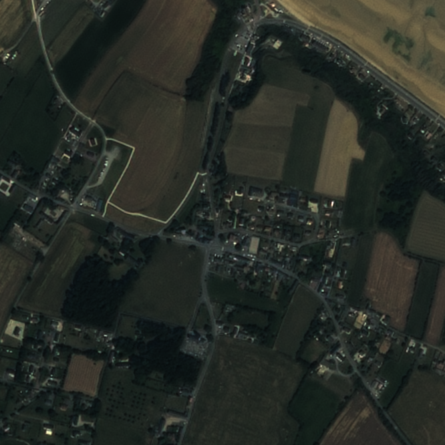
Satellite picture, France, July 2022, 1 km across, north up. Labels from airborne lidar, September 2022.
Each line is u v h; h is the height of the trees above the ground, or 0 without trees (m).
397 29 0
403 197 7
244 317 0
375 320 0
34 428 0
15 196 0
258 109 0
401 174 0
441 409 0
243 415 0
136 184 0
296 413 0
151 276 0
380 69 0
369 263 0
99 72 0
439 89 0
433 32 0
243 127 0
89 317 25
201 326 0
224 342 0
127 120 0
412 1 0
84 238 0
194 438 0
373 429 0
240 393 0
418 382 0
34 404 0
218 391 0
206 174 0
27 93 0
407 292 0
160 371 17
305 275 11
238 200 0
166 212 0
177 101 0
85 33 0
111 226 15
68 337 0
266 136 0
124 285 22
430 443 0
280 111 0
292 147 0
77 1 0
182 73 0
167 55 0
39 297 0
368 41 0
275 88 0
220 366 0
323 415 0
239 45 0
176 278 0
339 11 0
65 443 8
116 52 0
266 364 0
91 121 0
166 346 20
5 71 0
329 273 5
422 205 0
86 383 0
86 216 0
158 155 0
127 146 0
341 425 0
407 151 0
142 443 0
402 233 0
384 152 0
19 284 0
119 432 0
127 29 0
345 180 0
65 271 0
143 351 16
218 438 0
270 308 0
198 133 0
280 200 0
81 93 0
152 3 0
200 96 10
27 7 0
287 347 0
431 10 0
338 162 0
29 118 0
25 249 0
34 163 0
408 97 0
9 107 0
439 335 0
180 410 0
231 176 0
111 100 0
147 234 0
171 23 0
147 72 0
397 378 0
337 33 0
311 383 0
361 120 0
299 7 0
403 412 0
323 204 0
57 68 0
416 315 0
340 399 0
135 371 11
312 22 0
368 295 0
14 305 0
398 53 0
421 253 0
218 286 0
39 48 0
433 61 0
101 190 0
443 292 0
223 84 15
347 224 0
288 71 0
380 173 0
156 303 0
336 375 0
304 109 0
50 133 0
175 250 0
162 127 0
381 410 10
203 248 0
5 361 0
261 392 0
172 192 0
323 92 0
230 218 6
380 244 0
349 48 0
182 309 0
